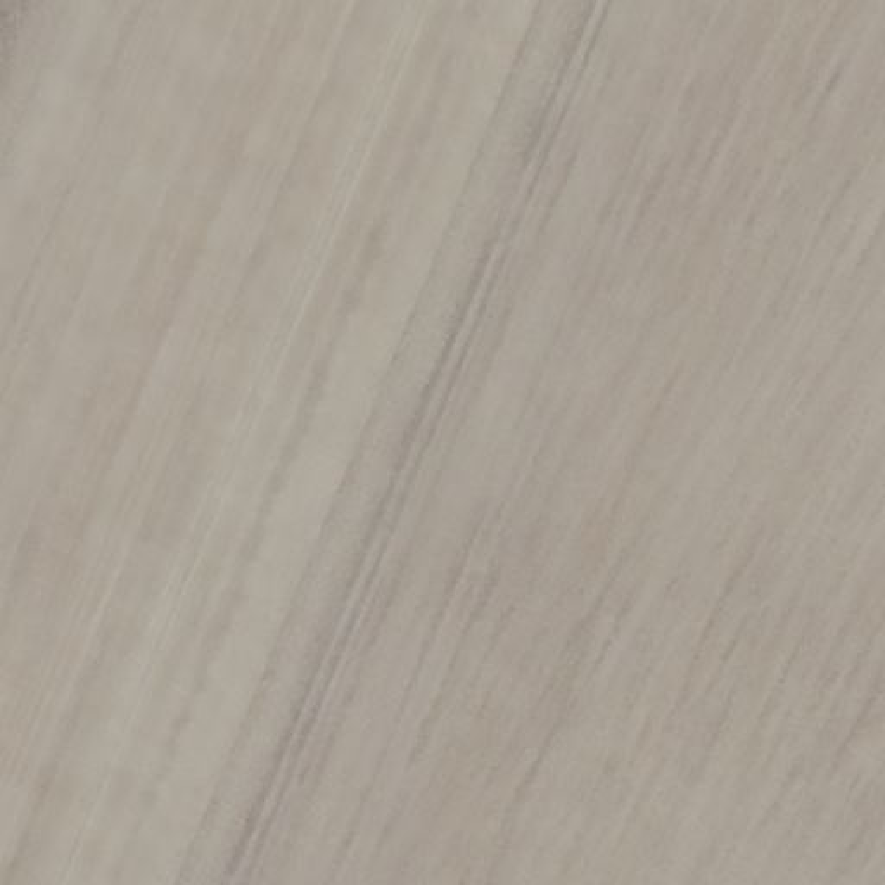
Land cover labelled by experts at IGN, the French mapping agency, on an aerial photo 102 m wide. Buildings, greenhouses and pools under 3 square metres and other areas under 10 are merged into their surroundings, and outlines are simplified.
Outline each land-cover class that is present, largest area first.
<instances>
[{"label":"plowed land","instance_id":"1","mask_svg":"<svg viewBox=\"0 0 885 885\"><path fill-rule=\"evenodd\" d=\"M0 885H885V0H31L28 24L17 31L14 41V80L0 93Z\"/></svg>","mask_w":885,"mask_h":885},{"label":"herbaceous vegetation","instance_id":"2","mask_svg":"<svg viewBox=\"0 0 885 885\"><path fill-rule=\"evenodd\" d=\"M31 0H0V93L14 80V41L17 31L28 24Z\"/></svg>","mask_w":885,"mask_h":885}]
</instances>
